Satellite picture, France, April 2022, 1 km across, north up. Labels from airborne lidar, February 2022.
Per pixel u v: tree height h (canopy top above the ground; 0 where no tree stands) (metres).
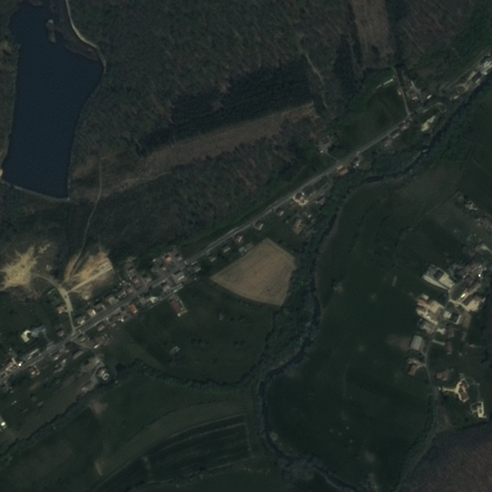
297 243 0
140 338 0
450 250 0
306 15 24
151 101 30
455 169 0
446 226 0
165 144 23
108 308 0
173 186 0
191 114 25
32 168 0
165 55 30
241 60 28
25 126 0
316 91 15
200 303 0
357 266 0
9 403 0
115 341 0
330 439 0
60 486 13
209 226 29
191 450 0
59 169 0
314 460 16
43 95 0
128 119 25
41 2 0
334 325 0
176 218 0
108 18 30
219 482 0
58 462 0
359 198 0
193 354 0
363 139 0
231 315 0
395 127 0
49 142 0
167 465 0
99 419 0
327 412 0
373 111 0
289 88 25
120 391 0
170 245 7
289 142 25
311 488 0
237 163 12
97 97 19
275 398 0
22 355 9
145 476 0
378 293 0
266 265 0
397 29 14
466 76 8
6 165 0
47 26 16
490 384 0
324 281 0
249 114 19
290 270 0
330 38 27
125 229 0
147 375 10
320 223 11
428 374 0
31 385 0
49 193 0
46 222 0
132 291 0
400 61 16
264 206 0
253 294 0
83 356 0
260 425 19
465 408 0
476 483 0
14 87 14
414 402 0
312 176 0
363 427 0
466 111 21
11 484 0
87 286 0
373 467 0
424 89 0
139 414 0
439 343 0
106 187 0
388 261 0
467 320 0
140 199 0
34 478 0
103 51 17
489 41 16
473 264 0
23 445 14
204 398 0
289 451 0
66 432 0
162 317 0
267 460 0
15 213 25
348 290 0
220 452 0
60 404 0
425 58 22
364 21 0
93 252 0
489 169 0
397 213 0
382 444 0
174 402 0
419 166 14
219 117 16
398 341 0
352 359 0
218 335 0
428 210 0
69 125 0
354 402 0
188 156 0
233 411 0
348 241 0
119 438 0
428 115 0
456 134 22
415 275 0
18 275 0
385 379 0
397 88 0
